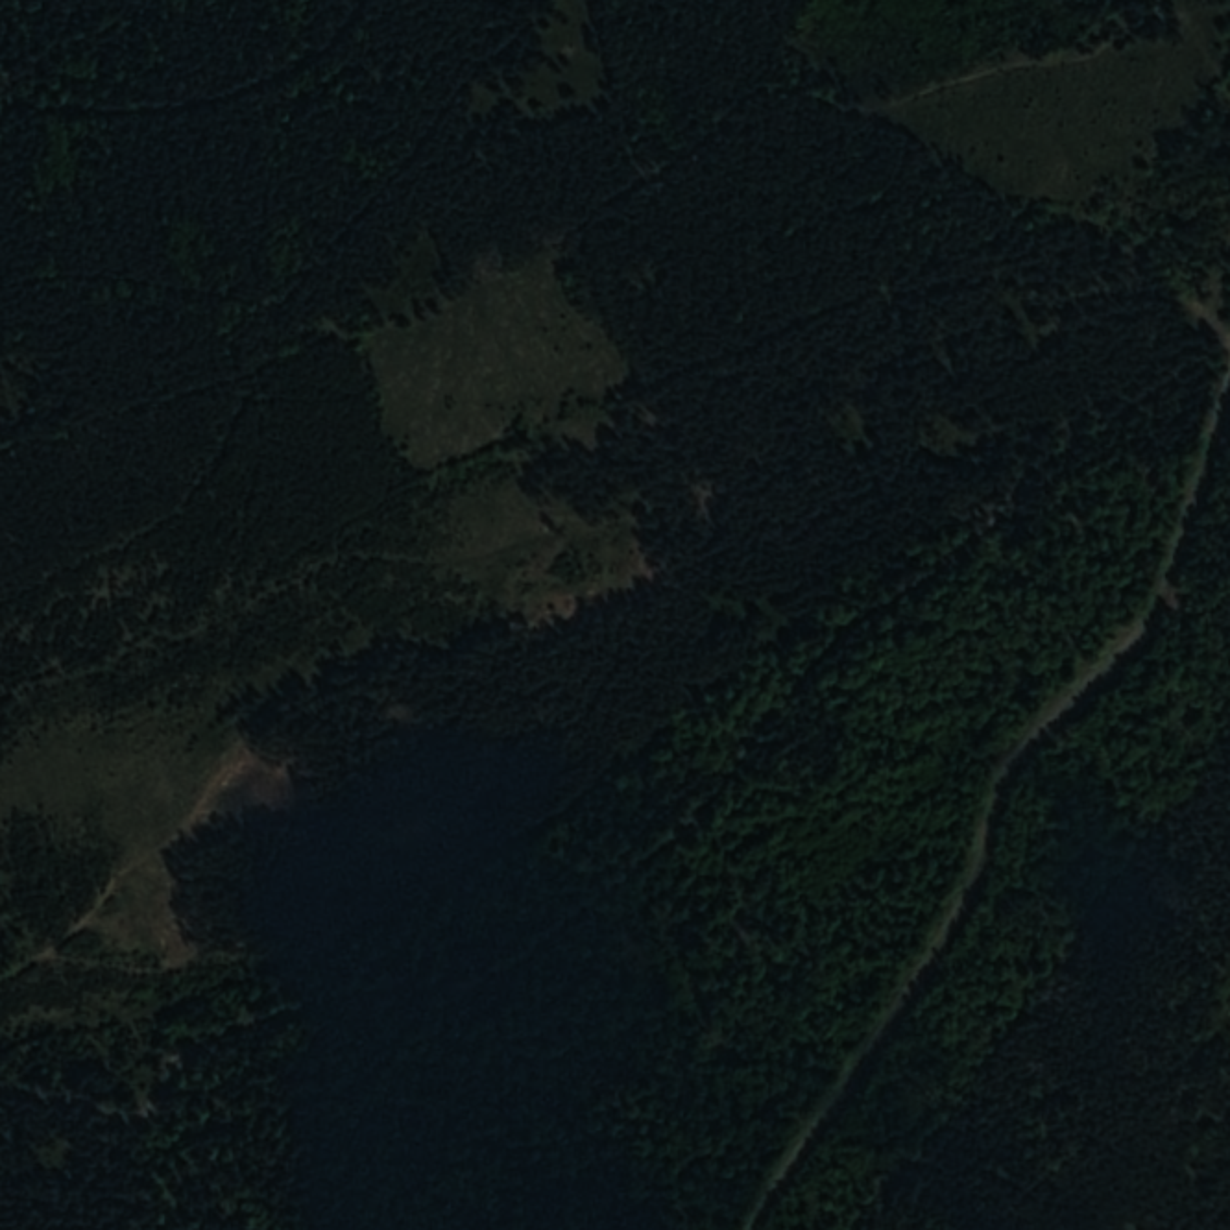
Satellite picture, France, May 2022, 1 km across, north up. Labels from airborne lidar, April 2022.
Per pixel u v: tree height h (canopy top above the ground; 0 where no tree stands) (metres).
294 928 30
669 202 21
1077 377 22
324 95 21
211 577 7
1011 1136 23
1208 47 0
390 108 15
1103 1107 21
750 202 21
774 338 28
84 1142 25
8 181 22
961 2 9
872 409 27
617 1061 19
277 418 13
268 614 7
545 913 16
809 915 26
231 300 22
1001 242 29
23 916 6
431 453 0
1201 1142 25
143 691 6
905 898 25
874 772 25
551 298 0
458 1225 15
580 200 20
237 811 0
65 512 16
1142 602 23
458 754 30
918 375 25
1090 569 19
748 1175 21
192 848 34
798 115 23
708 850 9
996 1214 21
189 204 21
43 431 18
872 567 32
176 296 20
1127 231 19
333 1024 20
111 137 20
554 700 34
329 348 10
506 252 23
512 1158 20
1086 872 19
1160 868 20
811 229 21
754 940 26
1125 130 0
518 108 15
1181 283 19
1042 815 8
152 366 20
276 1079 15
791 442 28
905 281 26
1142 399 23
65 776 0
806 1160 10
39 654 7
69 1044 8
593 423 0
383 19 18
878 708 27
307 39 20
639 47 22
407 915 17
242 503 9
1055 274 24
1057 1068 22
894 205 18
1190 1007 18
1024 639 25
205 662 9
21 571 16
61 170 17
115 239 22
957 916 0
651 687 32
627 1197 23
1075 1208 20
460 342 0
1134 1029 17
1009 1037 22
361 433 13
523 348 0
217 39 22
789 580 29
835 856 10
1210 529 20
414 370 0
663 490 34
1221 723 16
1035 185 0
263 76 17
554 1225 20
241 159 18
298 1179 27
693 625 28
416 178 18
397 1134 21
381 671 34
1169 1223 23
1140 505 25
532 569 0
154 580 8
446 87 21
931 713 27
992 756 12
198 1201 27
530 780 32
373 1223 18
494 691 33
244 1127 20
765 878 17
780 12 15
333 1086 17
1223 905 27
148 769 0
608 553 0
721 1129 21
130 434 16
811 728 19
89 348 21
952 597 26
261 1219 20
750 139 21
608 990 25
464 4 18
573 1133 26
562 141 19
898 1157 9
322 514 12
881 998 17
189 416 18
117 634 8
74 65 21
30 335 20
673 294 24
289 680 0
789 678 18
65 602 8
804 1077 24
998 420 31
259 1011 20
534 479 30
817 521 29
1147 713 21
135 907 0
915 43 6
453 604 5
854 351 25
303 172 20
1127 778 23
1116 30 27
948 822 11
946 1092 21
